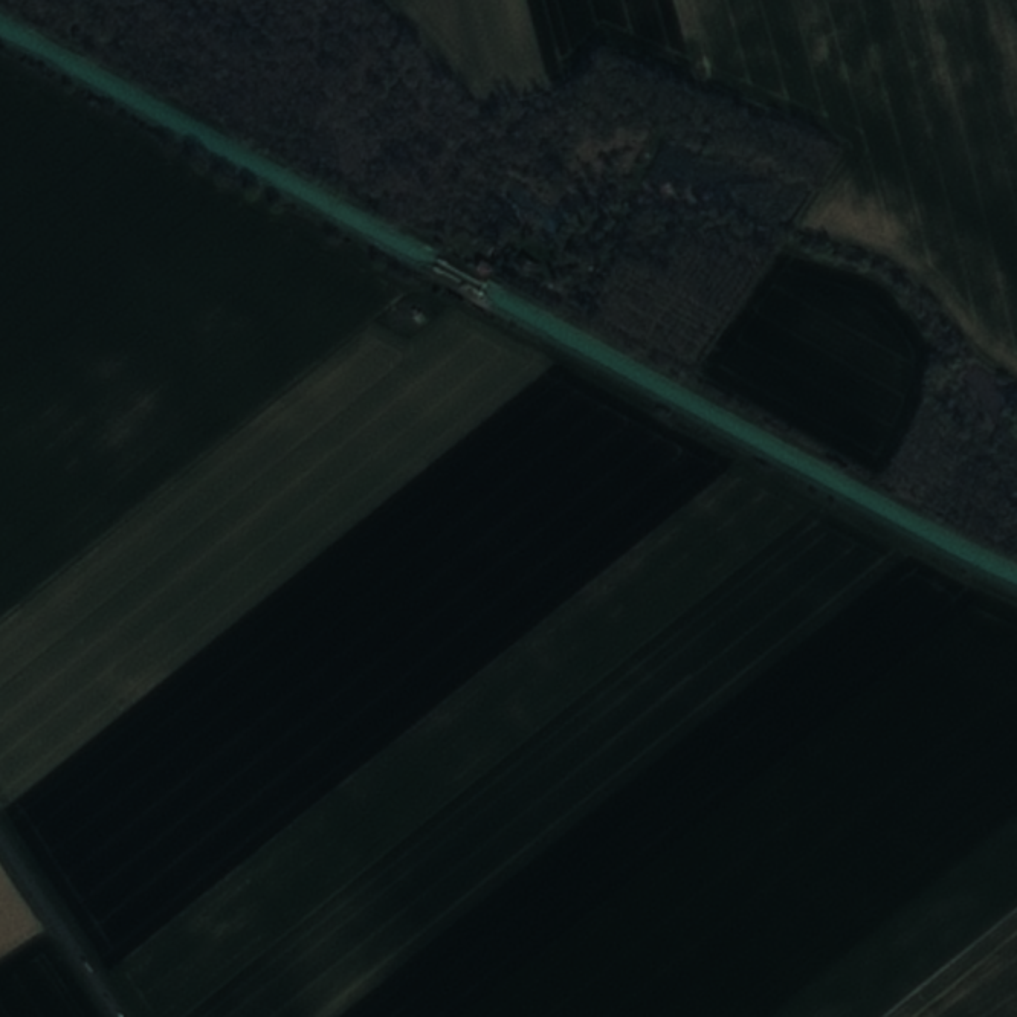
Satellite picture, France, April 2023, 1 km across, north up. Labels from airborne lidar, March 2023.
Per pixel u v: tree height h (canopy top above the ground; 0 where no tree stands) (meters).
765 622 0
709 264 33
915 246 0
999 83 0
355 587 0
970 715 0
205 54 23
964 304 0
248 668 0
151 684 0
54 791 0
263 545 0
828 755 0
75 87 9
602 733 0
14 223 0
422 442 0
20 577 0
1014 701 0
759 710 0
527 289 6
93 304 0
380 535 0
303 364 0
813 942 0
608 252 22
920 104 0
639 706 0
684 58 0
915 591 0
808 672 0
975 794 0
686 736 0
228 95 17
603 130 8
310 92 26
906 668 0
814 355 0
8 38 0
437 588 0
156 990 0
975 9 0
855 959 0
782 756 0
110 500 0
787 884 0
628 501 0
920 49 0
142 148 0
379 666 0
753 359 0
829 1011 0
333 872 0
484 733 0
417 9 0
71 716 0
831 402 0
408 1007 0
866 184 0
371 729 0
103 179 0
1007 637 0
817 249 16
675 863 0
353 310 0
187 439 0
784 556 0
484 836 0
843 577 0
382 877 0
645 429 0
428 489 0
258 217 0
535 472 0
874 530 0
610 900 0
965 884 0
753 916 0
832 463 8
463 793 0
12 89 0
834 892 0
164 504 0
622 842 0
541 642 0
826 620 0
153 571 0
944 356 6
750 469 0
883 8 0
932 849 0
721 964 0
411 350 0
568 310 8
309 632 0
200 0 15
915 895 0
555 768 0
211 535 0
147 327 0
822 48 0
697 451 0
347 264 0
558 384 0
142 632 0
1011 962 0
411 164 22
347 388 0
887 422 0
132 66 16
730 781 0
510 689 0
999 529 17
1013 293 0
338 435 0
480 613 0
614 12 0
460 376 0
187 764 0
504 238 23
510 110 27
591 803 0
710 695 0
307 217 0
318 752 0
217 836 0
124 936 0
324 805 0
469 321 0
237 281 0
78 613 0
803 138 29
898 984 0
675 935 0
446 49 0
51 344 0
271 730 0
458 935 0
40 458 0
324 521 0
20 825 0
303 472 0
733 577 0
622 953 0
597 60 13
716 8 0
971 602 0
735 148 22
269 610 0
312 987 0
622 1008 0
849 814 0
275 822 0
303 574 0
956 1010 0
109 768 0
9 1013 0
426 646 0
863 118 0
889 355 0
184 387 0
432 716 0
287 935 0
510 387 0
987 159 0
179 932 0
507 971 0
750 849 0
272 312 0
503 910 0
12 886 0
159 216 0
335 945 0
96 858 0
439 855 0
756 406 0
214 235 0
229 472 0
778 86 0
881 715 0
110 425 0
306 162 18
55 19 17
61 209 0
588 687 0
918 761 0
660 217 25
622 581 0
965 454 17
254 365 0
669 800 0
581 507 0
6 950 0
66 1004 0
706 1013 0
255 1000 0
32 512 0
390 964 0
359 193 14
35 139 0
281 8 22
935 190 0
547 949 0
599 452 0
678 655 0
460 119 19
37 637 0
